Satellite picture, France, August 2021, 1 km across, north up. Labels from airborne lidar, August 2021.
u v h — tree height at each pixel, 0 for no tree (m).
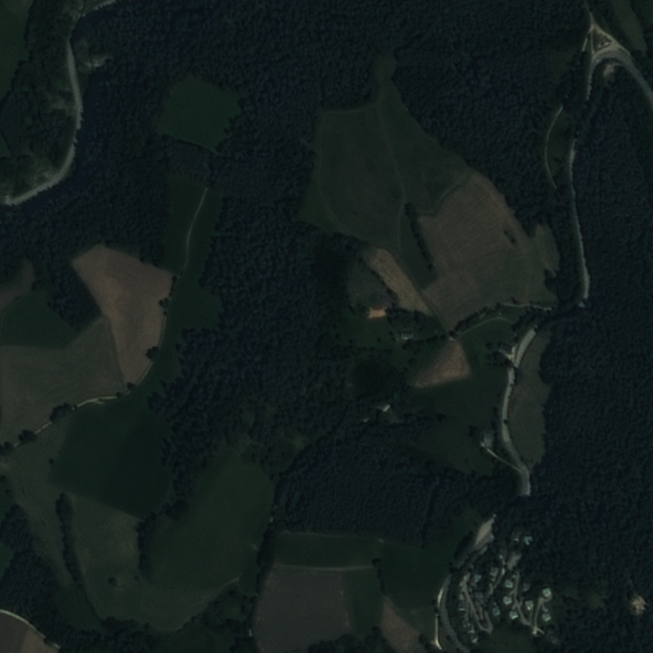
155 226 22
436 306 0
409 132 0
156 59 25
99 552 0
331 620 0
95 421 0
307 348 25
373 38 24
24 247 16
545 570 16
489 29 20
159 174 25
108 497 0
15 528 23
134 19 24
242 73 18
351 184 0
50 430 0
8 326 0
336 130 0
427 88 27
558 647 7
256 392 9
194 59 20
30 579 26
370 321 0
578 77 18
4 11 0
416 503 25
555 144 0
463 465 0
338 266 11
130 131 14
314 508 29
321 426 14
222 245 19
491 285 0
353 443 21
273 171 28
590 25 7
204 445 20
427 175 0
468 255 0
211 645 0
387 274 0
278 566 0
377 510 25
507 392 0
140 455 0
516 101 33
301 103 29
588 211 24
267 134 27
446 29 25
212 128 0
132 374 0
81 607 0
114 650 15
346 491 30
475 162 19
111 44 18
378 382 8
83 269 0
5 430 0
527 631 10
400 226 0
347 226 0
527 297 0
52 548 0
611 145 25
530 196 25
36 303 0
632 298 25
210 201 0
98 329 0
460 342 0
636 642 23
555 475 22
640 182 25
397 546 0
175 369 0
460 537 0
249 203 19
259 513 0
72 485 0
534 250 0
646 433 23
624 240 25
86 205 18
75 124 0
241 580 0
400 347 0
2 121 25
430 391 0
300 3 25
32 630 0
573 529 20
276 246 21
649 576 13
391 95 0
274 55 27
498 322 0
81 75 0
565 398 23
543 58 27
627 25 0
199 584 0
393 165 0
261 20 19
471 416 0
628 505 9
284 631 0
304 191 13
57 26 15
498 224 0
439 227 0
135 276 0
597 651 14
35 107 37
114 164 21
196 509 0
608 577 8
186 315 0
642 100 24
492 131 28
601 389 25
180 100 0
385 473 23
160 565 0
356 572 0
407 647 0
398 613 0
